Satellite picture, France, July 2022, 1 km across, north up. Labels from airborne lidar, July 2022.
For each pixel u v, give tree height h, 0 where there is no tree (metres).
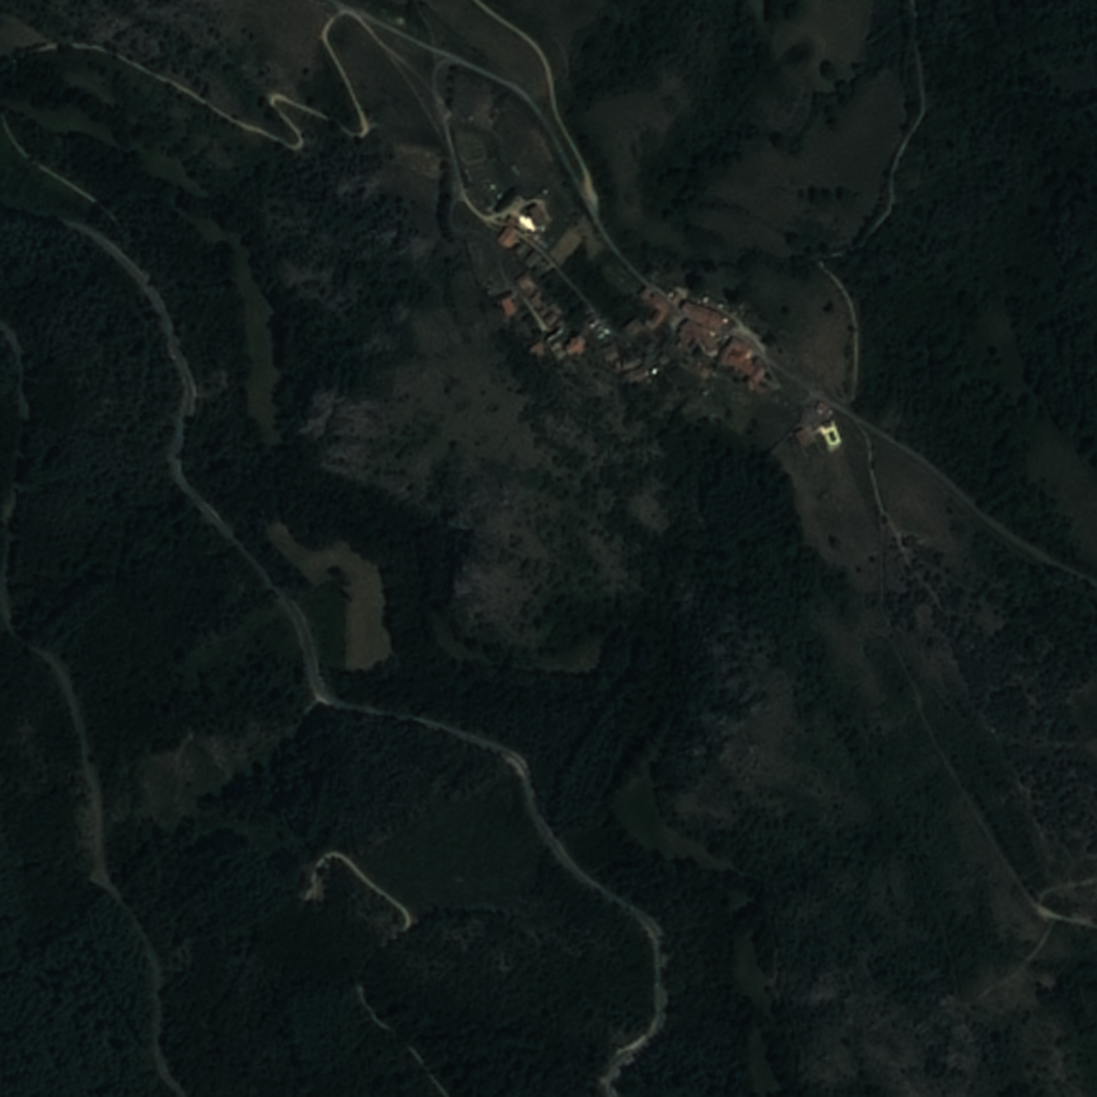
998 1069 9
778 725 0
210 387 10
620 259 7
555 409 7
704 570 11
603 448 7
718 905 7
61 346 22
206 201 10
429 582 26
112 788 6
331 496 16
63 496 23
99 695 7
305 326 12
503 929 12
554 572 7
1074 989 18
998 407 16
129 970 27
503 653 18
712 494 25
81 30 7
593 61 6
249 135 0
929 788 7
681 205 12
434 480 6
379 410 0
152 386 18
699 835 9
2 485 19
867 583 0
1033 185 9
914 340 11
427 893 0
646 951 10
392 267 6
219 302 15
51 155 13
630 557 7
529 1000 11
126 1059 27
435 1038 20
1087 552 0
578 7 0
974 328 13
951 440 9
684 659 7
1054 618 7
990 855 0
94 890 19
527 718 13
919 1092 0
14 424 20
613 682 8
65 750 8
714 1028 14
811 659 15
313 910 13
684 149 7
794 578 10
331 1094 19
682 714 14
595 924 10
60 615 30
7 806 8
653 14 16
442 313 0
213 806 26
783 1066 15
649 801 0
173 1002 16
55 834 13
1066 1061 8
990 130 21
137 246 14
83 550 9
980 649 9
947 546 0
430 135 0
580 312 7
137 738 7
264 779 17
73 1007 12
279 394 16
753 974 0
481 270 0
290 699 23
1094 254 8
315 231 9
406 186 0
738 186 0
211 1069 10
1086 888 0
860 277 6
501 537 0
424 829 0
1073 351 8
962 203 17
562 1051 22
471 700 16
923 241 14
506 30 0
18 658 19
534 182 0
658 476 7
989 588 7
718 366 7
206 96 9
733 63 8
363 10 0
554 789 22
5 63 11
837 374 0
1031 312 10
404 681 25
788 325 0
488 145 0
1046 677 8
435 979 6
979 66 16
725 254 0
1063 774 9
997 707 10
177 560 18
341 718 16
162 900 13
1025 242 10
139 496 15
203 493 12
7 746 6
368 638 0
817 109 6
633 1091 30
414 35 0
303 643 0
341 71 0
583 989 18
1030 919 0
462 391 0
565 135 0
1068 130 6
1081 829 6
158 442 12
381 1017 17
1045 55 15
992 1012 0
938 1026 8
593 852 6
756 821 8
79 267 11
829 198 8
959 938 6
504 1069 23
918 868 7
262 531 20
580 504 6
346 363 11
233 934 11
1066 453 0
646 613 9
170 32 7
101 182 20
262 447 20
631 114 0
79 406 17
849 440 0
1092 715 0
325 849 11
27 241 28
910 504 0
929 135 6
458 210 0
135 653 14
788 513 10
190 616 21
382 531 16
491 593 0
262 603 16
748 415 0
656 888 17
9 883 27
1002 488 19
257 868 34
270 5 0
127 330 20
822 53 0
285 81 0
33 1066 25
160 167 0
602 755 26
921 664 0
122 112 8
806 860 14
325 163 7
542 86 0
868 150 0
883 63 5
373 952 15
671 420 6
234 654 0
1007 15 20
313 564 0
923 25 13
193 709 14
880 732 7
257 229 9
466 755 12
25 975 23
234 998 23
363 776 18
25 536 20
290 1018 29
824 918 8
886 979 8
